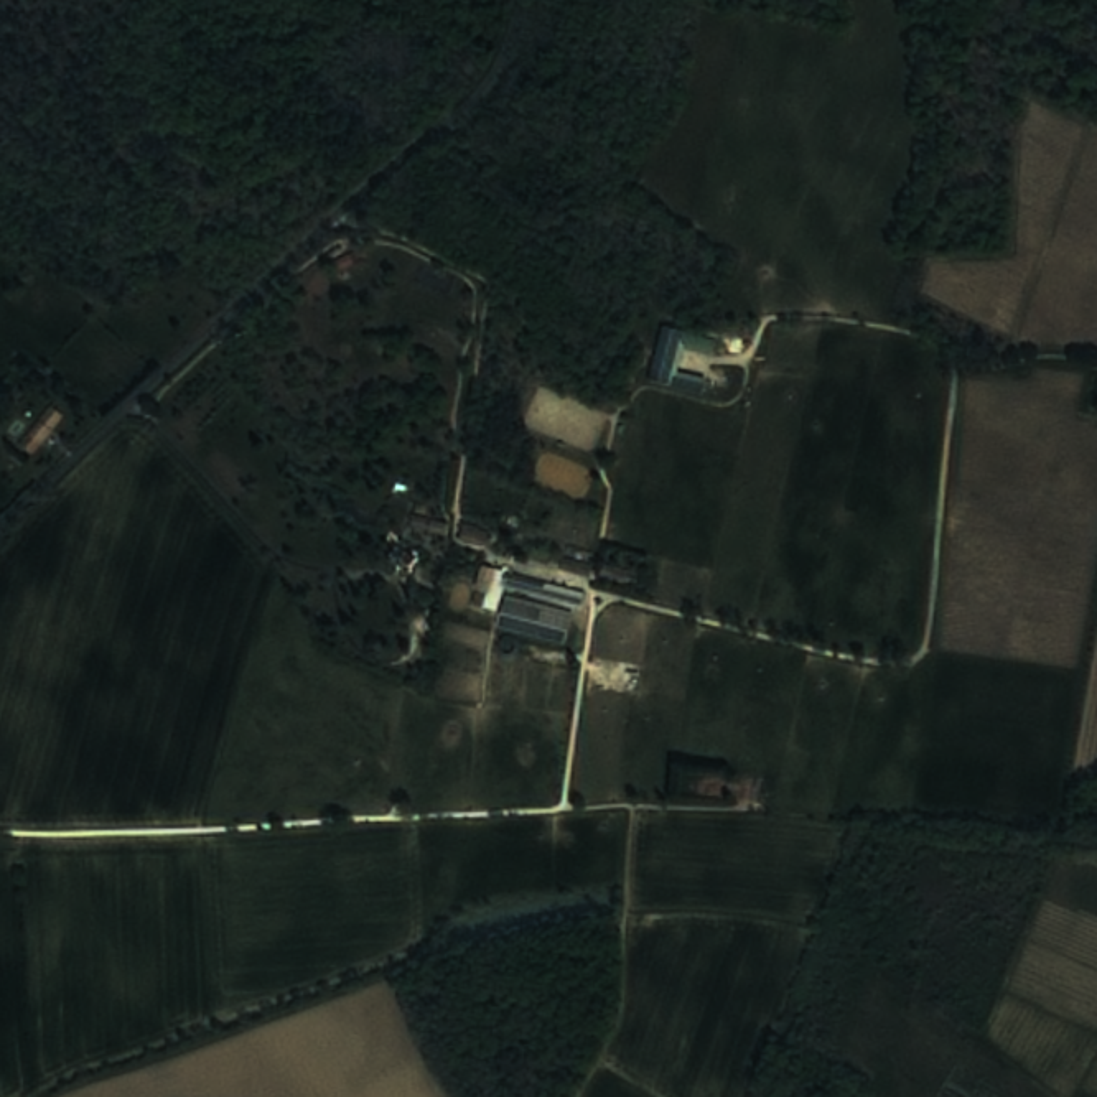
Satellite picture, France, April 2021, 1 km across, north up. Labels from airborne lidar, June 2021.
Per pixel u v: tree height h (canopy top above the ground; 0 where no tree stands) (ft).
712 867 0
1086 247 0
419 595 44
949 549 0
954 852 24
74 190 68
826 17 50
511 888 0
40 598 0
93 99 87
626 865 0
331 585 25
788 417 0
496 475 53
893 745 0
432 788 0
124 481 0
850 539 0
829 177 0
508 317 41
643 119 57
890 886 20
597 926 60
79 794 0
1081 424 0
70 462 0
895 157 0
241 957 0
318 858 0
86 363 0
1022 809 0
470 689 0
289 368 32
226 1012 0
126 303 42
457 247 36
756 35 0
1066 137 0
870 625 0
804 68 0
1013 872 26
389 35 63
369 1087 0
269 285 21
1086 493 0
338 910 0
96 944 0
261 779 0
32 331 0
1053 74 68
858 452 0
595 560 22
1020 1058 0
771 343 0
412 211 36
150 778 0
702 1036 0
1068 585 0
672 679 0
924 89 77
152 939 0
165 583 0
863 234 0
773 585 0
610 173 53
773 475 0
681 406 0
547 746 0
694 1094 0
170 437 0
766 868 0
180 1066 0
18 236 72
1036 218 0
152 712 0
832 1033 21
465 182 44
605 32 56
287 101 54
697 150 0
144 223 69
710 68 0
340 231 45
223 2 66
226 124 71
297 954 0
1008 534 0
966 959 22
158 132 48
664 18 54
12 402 59
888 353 0
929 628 0
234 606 0
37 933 0
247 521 0
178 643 0
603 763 0
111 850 0
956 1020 37
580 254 40
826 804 0
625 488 0
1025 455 0
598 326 40
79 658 0
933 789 0
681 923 0
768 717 0
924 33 68
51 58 31
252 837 0
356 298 54
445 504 18
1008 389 0
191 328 0
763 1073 56
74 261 65
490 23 71
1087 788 58
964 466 0
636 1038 0
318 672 0
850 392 0
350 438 47
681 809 0
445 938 46
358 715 0
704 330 39
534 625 0
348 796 0
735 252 40
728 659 0
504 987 89
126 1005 0
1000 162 73
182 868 0
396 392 52
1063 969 0
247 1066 0
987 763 0
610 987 76
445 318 0
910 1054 0
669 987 0
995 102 54
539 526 20
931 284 0
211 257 71
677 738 0
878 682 0
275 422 40
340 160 85
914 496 0
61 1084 27
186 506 0
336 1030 0
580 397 48
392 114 50
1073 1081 0
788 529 0
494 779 0
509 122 65
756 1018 0
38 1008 0
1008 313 0
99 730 0
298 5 72
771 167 0
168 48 72
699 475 0
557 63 72
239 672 0
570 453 0
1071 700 0
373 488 47
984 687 0
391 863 0
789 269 0
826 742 0
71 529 0
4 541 22
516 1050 74
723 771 42
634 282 59
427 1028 75
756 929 0
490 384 31
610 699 0
